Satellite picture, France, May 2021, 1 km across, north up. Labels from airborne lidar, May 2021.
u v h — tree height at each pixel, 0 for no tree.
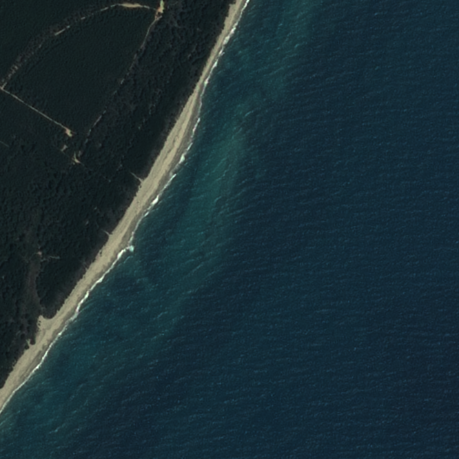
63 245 6
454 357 0
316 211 0
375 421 0
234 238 0
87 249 9
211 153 0
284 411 0
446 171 0
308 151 0
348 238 0
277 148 0
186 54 16
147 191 0
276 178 0
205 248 0
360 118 0
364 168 0
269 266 0
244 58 0
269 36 0
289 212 0
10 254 7
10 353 14
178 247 0
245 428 0
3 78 10
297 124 0
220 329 0
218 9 9
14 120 8
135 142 10
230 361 0
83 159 15
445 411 0
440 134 0
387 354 0
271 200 0
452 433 0
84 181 13
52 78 8
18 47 9
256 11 0
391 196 0
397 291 0
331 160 0
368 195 0
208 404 0
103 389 0
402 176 0
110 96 13
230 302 0
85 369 0
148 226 0
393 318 0
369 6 0
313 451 0
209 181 0
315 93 0
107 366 0
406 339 0
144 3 13
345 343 0
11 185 9
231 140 0
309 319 0
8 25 8
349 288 0
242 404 0
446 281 0
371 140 0
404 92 0
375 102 0
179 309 0
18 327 9
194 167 0
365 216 0
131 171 8
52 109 11
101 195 11
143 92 13
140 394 0
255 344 0
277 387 0
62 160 9
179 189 0
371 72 0
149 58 16
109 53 9
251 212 0
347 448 0
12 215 11
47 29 10
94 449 0
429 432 0
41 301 8
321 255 0
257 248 0
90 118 12
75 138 12
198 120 0
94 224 11
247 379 0
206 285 0
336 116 0
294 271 0
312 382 0
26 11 8
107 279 0
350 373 0
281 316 0
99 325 0
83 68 9
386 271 0
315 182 0
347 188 0
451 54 0
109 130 13
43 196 17
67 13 10
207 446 0
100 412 0
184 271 0
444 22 0
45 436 0
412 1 0
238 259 0
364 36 0
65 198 17
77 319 0
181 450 0
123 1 11
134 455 0
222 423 0
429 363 0
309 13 0
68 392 0
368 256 0
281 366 0
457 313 0
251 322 0
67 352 0
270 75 0
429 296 0
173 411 0
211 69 0
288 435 0
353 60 0
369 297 0
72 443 0
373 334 0
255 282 0
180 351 0
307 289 0
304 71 0
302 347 0
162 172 0
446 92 0
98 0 11
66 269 7
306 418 0
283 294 0
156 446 0
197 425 0
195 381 0
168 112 9
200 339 0
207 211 0
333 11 0
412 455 0
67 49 9
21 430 0
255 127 0
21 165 9
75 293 0
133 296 0
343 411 0
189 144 0
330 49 0
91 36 9
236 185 0
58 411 0
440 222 0
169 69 10
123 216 0
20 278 12
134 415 0
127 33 7
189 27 9
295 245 0
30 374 0
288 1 0
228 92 0
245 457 0
